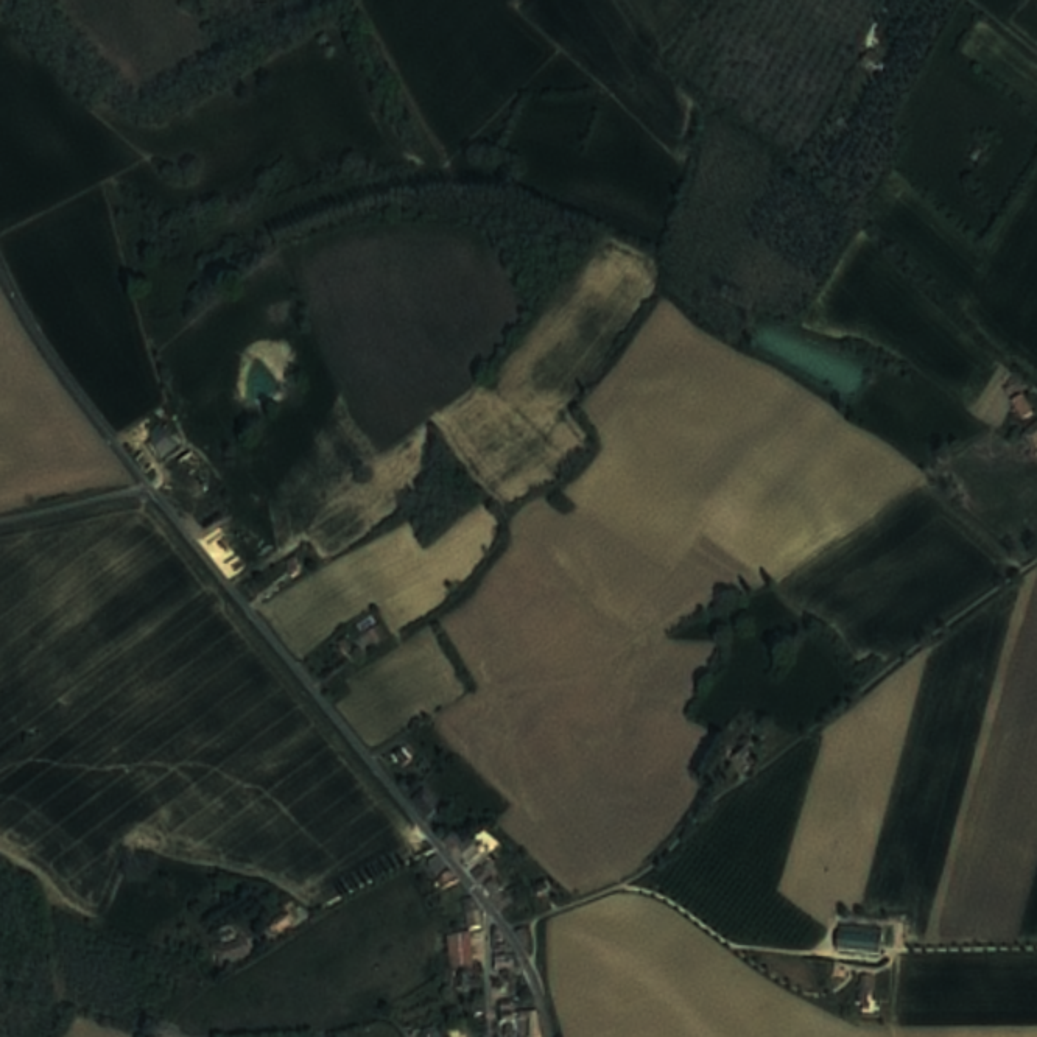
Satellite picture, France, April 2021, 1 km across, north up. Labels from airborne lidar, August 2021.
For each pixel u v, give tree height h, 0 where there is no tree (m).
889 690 0
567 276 14
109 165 0
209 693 0
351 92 0
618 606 0
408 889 0
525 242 20
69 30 13
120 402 0
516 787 0
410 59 0
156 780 0
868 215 12
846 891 0
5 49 0
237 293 23
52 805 0
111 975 6
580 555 0
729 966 0
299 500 0
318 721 0
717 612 11
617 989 0
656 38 0
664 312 0
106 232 0
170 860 0
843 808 0
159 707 0
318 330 0
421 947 0
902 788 0
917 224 0
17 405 0
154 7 0
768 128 9
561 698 0
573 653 0
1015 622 0
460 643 0
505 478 0
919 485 0
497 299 0
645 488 0
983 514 0
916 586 0
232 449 16
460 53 0
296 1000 0
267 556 0
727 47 8
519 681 0
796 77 10
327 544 0
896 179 0
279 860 0
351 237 0
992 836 0
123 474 0
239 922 9
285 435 0
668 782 0
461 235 0
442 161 0
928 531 0
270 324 0
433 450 19
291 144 0
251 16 12
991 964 0
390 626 0
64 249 0
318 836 0
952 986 0
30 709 0
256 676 0
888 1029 0
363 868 0
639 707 0
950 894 0
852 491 0
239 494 0
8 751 0
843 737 0
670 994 0
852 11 12
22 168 0
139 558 0
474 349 0
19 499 0
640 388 0
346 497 0
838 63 8
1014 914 0
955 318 6
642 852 0
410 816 0
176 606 0
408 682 0
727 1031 0
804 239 10
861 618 0
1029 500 0
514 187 21
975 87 0
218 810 0
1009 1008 0
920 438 0
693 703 7
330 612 0
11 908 22
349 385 0
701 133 10
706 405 0
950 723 0
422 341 0
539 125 0
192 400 0
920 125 0
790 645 22
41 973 15
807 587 0
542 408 0
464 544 0
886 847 0
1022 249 0
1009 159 0
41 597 0
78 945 6
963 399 0
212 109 0
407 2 0
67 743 0
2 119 0
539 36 0
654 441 0
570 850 0
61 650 0
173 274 0
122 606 0
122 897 0
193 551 0
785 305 14
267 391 0
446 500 16
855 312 0
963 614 0
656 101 0
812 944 0
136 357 0
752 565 0
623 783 0
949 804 0
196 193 0
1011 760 0
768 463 0
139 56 0
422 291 0
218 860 0
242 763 0
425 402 0
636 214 0
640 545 0
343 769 0
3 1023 10
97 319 0
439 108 0
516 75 0
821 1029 0
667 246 10
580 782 0
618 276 0
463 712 0
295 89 0
